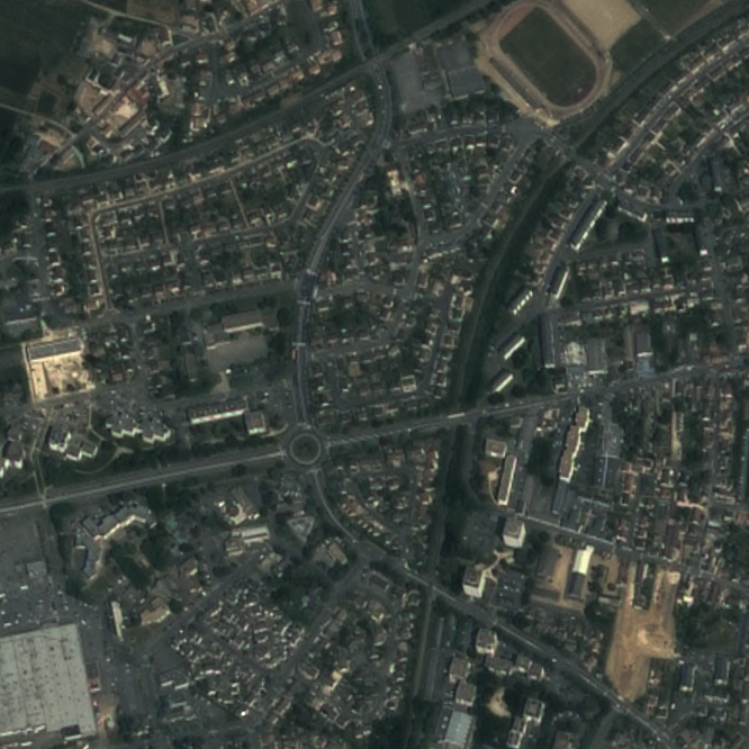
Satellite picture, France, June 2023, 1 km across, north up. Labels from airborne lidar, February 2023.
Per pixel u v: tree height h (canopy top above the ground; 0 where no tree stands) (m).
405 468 0
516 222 0
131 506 0
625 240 14
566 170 6
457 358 6
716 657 0
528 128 0
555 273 0
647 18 0
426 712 14
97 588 0
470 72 0
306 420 0
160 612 0
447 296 0
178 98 0
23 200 18
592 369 0
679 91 0
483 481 10
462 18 0
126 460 14
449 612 8
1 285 0
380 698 0
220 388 0
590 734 8
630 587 0
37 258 0
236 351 0
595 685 0
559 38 0
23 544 0
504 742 13
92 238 0
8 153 14
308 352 0
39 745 0
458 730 0
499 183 0
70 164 0
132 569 16
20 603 0
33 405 0
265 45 9
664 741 0
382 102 0
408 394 0
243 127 0
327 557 0
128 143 0
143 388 0
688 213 0
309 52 0
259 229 0
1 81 0
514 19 0
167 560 18
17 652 0
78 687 0
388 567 11
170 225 7
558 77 0
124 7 0
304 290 0
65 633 0
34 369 0
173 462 15
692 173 0
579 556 0
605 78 0
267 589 0
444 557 12
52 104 0
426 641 0
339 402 0
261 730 10
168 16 0
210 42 0
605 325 11
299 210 0
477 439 7
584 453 0
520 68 0
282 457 0
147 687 0
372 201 6
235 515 0
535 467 7
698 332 0
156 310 0
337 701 0
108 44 0
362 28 14
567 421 0
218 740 0
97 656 0
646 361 0
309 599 0
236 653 0
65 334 0
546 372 16
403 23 0
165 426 12
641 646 0
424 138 0
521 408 0
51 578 0
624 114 0
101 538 0
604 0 0
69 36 0
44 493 0
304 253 6
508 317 0
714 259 0
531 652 9
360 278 0
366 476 0
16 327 0
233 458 0
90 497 0
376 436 0
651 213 0
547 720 10
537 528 0
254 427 0
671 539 0
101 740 0
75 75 0
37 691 0
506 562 8
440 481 12
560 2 0
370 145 0
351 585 0
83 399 0
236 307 9
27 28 0
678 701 0
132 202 0
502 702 0
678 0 0
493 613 0
